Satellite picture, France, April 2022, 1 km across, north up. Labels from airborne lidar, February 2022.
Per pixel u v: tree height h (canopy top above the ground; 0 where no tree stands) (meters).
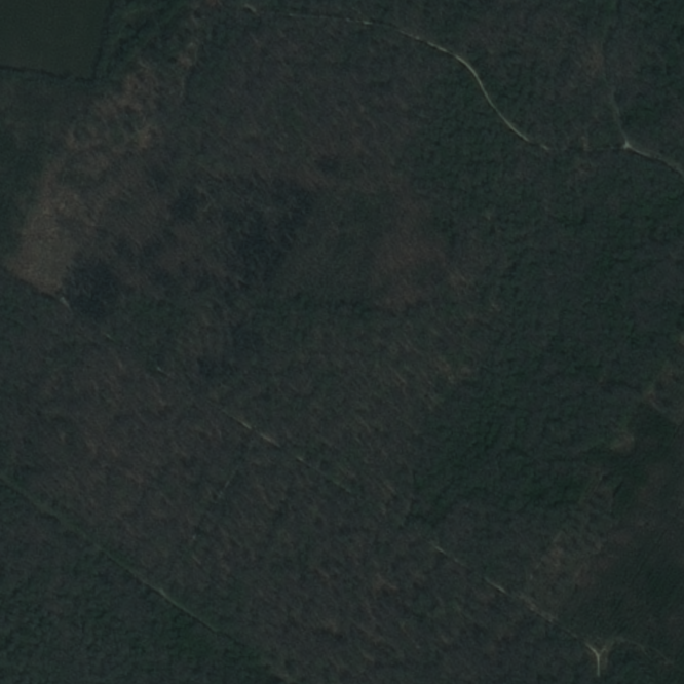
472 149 21
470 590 19
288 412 26
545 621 29
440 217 18
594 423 27
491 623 31
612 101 23
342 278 17
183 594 29
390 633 33
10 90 0
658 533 6
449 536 28
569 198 26
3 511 26
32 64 0
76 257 0
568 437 32
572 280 27
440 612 32
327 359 26
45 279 0
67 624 20
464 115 27
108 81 15
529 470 25
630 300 30
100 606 23
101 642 23
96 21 0
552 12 26
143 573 28
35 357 29
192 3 28
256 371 27
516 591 27
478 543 28
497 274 27
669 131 29
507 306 23
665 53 27
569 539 26
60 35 0
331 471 28
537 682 29
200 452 30
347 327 31
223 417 25
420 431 30
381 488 30
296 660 29
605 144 20
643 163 27
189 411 27
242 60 28
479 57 26
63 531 31
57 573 29
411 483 27
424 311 27
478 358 27
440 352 31
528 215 23
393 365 31
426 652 33
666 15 23
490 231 23
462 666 32
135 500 27
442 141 23
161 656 32
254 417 29
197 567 32
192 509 26
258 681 24
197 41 26
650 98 26
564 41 26
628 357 26
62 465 30
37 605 20
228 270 19
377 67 26
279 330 28
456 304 26
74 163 20
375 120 27
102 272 26
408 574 32
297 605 29
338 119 25
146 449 28
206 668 25
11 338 29
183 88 29
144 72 34
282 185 19
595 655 0
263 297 23
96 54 0
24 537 29
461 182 27
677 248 28
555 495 24
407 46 24
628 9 24
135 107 0
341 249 16
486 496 25
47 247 0
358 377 28
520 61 27
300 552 23
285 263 14
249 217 19
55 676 23
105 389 28
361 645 33
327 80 31
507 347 17
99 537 25
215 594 30
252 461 29
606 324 26
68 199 0
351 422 30
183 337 24
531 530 23
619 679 28
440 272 21
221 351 27
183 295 23
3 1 0
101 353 29
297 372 24
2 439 25
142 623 31
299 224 21
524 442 26
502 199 23
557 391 31
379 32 27
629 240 24
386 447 26
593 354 27
